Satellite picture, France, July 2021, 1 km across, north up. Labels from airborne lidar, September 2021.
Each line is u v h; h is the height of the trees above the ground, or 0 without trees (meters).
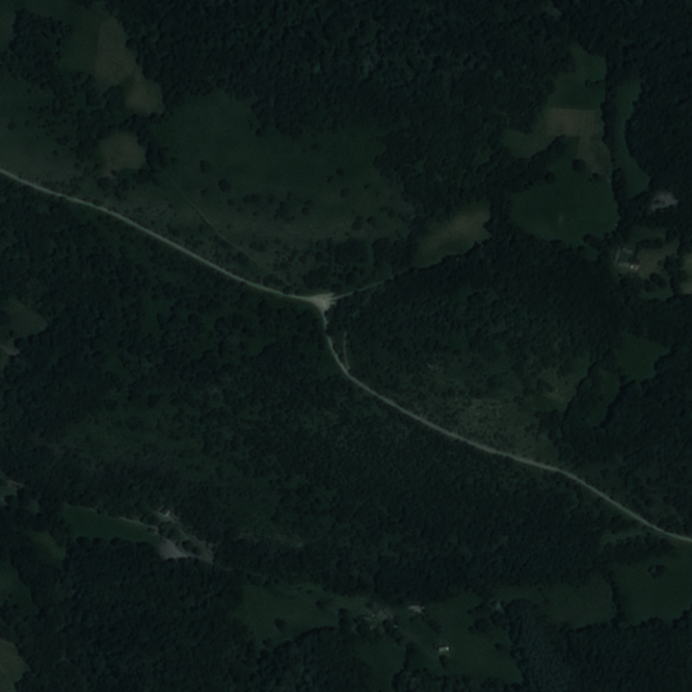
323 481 12
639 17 27
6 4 0
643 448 12
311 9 25
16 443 19
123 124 6
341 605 0
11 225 13
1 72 12
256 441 11
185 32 24
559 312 15
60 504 23
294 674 23
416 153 10
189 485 8
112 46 0
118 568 24
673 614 0
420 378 6
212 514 7
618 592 20
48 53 19
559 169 0
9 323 14
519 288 15
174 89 12
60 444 12
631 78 21
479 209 0
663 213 17
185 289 8
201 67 22
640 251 8
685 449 13
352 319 10
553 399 0
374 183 0
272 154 0
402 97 24
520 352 7
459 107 20
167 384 8
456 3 29
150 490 16
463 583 18
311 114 11
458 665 0
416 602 11
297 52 20
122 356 8
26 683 17
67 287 23
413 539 11
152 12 27
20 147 0
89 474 5
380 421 7
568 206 0
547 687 32
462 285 16
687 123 24
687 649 6
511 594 0
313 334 11
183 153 0
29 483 20
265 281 8
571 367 14
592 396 24
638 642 14
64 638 34
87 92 11
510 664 0
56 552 0
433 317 7
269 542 6
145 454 8
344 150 0
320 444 6
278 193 0
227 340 18
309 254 8
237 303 8
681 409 17
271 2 17
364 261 14
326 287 11
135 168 0
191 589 21
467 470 7
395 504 16
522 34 8
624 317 28
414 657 12
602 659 25
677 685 28
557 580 17
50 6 0
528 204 0
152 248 9
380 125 8
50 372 18
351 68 15
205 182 0
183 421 8
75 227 13
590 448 25
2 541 31
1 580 0
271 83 16
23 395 12
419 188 14
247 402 6
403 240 8
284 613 0
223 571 13
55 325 19
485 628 10
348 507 15
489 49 28
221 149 0
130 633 19
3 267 20
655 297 0
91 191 0
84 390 16
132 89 0
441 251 0
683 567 0
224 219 0
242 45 23
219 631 25
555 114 0
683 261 11
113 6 20
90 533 0
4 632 18
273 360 12
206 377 16
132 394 15
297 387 9
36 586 20
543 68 27
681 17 26
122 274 17
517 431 0
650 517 9
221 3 13
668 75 28
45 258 23
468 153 20
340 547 7
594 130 0
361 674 21
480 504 13
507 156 24
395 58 21
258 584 12
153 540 0
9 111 0
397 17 33
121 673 29
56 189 7
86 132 17
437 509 11
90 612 29
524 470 7
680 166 14
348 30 22
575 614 0
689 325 26
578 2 26
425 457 11
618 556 22
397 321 7
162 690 19
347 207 0
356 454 7
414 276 17
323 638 27
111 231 7
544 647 26
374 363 7
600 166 0
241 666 31
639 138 25
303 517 7
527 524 12
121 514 20
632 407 27
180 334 16
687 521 8
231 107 0
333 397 6
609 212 0
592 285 20
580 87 0
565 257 26
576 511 9
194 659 24
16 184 10
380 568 6
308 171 0
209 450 10
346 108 15
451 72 22
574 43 7
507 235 23
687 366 18
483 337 11
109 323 15
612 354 21
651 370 0
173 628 19
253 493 6
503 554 17
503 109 25
